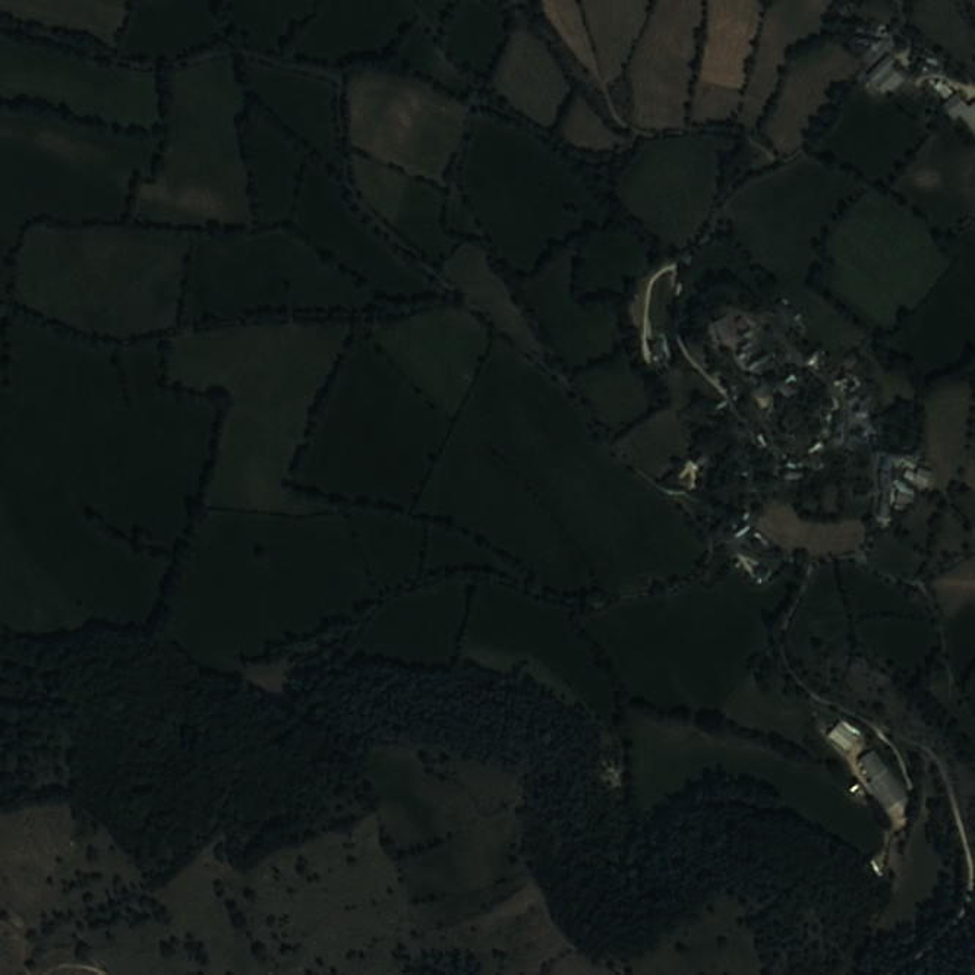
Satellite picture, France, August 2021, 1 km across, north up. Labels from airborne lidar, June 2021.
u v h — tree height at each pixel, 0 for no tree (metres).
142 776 26
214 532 0
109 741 17
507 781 0
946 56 8
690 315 8
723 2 0
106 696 23
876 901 14
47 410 0
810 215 0
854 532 0
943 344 0
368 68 20
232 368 0
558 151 10
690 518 10
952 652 0
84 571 0
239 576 0
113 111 0
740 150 11
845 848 20
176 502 0
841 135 0
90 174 0
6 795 10
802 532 0
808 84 0
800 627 0
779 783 0
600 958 12
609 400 0
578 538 0
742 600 0
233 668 0
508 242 0
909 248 0
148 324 0
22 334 0
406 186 0
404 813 0
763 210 0
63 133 0
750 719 0
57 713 16
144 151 0
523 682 13
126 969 0
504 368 0
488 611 0
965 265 0
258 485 0
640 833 7
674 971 0
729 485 7
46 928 8
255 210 11
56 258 0
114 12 0
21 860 0
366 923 0
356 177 8
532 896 0
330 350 0
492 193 0
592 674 0
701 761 0
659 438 0
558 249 16
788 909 14
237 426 0
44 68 0
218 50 15
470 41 0
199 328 8
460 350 0
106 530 12
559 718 15
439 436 0
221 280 0
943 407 0
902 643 0
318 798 13
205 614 0
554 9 0
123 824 18
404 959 9
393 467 0
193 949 8
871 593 0
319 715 16
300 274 0
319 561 0
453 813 0
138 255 0
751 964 0
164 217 0
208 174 0
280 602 0
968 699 7
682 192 0
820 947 12
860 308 0
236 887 0
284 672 0
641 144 11
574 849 9
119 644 21
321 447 0
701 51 10
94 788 18
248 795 13
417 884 0
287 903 0
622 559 0
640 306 0
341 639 8
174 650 22
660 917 22
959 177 0
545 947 0
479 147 0
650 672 0
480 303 0
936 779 7
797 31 0
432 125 0
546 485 0
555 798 11
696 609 0
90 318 0
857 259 0
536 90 0
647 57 0
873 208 0
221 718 27
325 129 0
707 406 14
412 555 0
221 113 0
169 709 22
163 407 0
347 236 0
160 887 8
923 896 0
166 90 13
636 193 0
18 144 0
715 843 22
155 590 0
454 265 0
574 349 0
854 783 7
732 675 0
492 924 0
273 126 14
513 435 0
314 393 0
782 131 0
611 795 8
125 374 7
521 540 0
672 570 0
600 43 0
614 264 0
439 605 0
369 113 0
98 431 0
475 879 0
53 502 0
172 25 0
